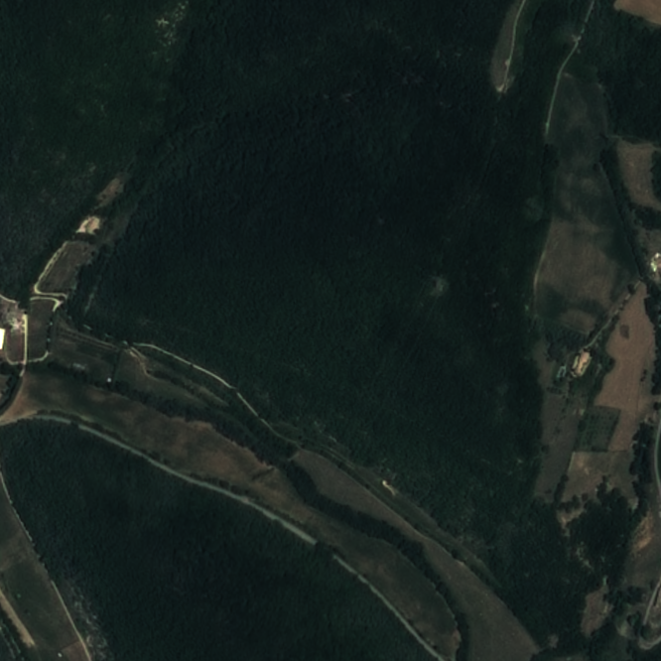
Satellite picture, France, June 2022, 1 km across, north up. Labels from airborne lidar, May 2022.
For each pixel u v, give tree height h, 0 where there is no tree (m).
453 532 7
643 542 0
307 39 6
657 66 7
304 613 9
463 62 9
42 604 0
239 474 0
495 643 0
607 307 0
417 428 8
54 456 7
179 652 10
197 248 12
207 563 9
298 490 11
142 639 9
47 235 11
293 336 10
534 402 12
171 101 12
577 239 0
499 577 8
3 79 6
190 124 15
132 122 8
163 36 7
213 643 9
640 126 16
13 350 0
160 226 9
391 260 8
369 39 8
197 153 7
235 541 8
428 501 7
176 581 8
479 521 8
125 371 0
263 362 8
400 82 19
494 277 14
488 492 6
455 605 9
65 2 6
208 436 0
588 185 0
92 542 7
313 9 8
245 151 11
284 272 10
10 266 9
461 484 8
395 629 7
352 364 12
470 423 7
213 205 12
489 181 12
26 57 10
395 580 0
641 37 13
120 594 9
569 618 13
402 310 7
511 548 7
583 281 0
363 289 8
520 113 11
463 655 15
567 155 0
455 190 9
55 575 6
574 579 7
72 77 7
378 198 10
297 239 10
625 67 12
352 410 10
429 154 9
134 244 9
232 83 7
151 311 8
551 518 10
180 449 0
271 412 8
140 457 13
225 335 7
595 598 0
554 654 16
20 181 9
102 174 6
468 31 10
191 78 14
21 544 0
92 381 11
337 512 13
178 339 6
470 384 6
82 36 7
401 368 7
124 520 9
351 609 7
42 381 0
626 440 0
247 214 9
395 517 0
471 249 12
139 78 10
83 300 8
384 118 7
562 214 0
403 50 6
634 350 0
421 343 8
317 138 10
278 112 11
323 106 16
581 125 0
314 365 10
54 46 6
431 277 9
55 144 9
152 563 6
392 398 10
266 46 7
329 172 9
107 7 6
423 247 10
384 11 7
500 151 13
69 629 0
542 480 0
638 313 0
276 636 10
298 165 9
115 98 8
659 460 0
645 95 12
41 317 0
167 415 29
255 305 11
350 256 7
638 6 0
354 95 14
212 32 11
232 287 6
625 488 0
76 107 7
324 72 8
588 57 8
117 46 7
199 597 8
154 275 9
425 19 10
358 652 10
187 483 9
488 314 12
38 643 0
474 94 12
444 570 0
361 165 10
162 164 11
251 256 10
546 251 0
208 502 7
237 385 7
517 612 11
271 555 7
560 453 0
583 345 13
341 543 0
